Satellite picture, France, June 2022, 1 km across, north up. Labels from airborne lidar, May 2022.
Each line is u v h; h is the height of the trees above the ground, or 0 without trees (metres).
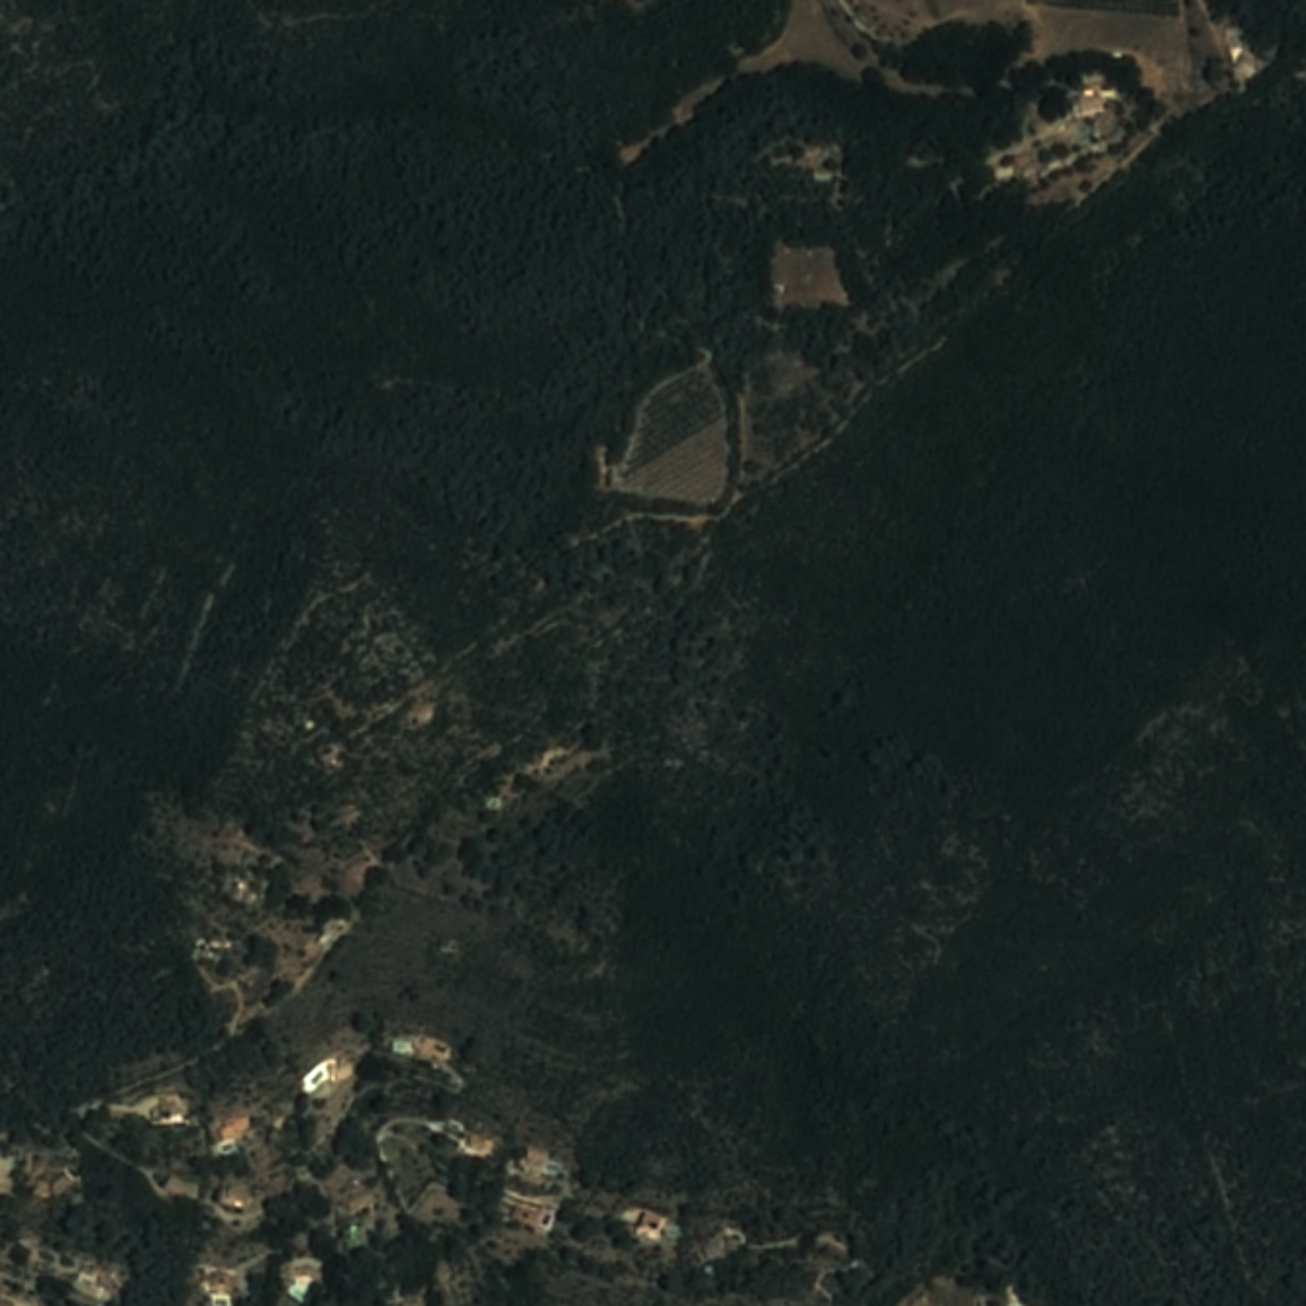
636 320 14
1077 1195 6
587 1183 18
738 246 12
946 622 6
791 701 6
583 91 10
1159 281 6
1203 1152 6
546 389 13
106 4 8
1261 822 7
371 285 6
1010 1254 24
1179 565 6
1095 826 6
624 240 14
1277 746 6
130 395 7
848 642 6
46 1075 10
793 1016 8
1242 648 7
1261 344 7
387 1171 19
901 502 6
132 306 6
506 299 14
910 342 15
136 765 11
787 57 0
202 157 6
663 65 13
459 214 12
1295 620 6
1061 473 6
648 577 6
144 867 12
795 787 7
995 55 15
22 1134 13
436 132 12
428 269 8
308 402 8
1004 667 5
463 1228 6
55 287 6
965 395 6
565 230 14
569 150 22
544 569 18
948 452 8
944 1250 11
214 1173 13
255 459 6
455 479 14
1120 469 7
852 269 11
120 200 17
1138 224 10
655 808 6
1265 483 7
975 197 15
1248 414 7
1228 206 13
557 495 15
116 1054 11
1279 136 8
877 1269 6
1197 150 6
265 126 13
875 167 13
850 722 7
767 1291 20
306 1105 14
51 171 10
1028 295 7
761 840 11
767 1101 6
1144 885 6
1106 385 7
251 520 6
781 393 0
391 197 6
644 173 12
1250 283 8
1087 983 7
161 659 6
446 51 14
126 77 8
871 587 7
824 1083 14
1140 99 11
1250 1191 9
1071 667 6
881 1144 9
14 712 5
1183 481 11
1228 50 0
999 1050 5
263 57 9
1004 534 7
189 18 7
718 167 18
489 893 6
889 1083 22
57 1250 12
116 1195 19
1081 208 7
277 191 13
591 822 7
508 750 5
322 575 9
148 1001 10
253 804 10
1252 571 9
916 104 18
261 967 19
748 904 21
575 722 7
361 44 6
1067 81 13
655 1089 7
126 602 5
